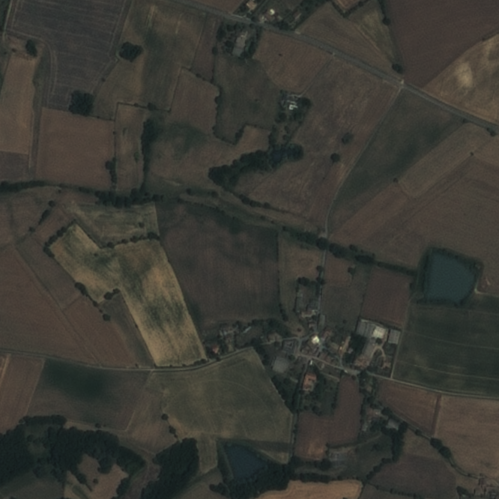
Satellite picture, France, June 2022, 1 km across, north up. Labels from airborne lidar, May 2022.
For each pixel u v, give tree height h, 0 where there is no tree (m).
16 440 16
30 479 0
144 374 0
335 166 0
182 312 0
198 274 0
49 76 0
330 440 0
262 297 0
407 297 0
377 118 0
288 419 0
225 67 0
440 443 19
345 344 0
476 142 0
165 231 0
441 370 0
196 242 0
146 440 0
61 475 28
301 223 0
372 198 0
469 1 0
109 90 0
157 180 0
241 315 0
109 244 8
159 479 12
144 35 0
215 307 0
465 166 0
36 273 0
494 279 0
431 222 0
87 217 0
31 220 0
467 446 0
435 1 0
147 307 0
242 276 0
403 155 0
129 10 0
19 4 0
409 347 0
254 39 8
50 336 0
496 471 0
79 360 0
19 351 0
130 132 0
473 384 0
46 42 0
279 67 0
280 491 9
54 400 0
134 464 12
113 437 13
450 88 0
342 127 0
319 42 0
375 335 0
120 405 0
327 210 0
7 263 0
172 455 10
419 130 0
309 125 0
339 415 0
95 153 0
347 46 0
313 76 0
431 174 0
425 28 0
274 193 0
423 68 0
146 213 0
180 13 0
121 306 0
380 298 0
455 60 0
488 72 0
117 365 0
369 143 0
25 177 0
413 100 0
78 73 0
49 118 0
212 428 0
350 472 0
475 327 0
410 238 0
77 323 0
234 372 0
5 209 0
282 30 16
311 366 8
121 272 0
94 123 0
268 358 11
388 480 0
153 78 0
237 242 0
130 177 0
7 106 0
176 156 0
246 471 0
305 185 0
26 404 0
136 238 10
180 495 0
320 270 12
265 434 0
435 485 0
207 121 0
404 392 0
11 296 0
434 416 0
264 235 0
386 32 0
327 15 0
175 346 0
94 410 0
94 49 0
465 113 0
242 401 0
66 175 0
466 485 0
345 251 21
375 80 0
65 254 0
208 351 9
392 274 0
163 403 0
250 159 19
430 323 0
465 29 0
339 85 0
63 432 15
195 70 0
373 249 0
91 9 0
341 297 0
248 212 0
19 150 0
